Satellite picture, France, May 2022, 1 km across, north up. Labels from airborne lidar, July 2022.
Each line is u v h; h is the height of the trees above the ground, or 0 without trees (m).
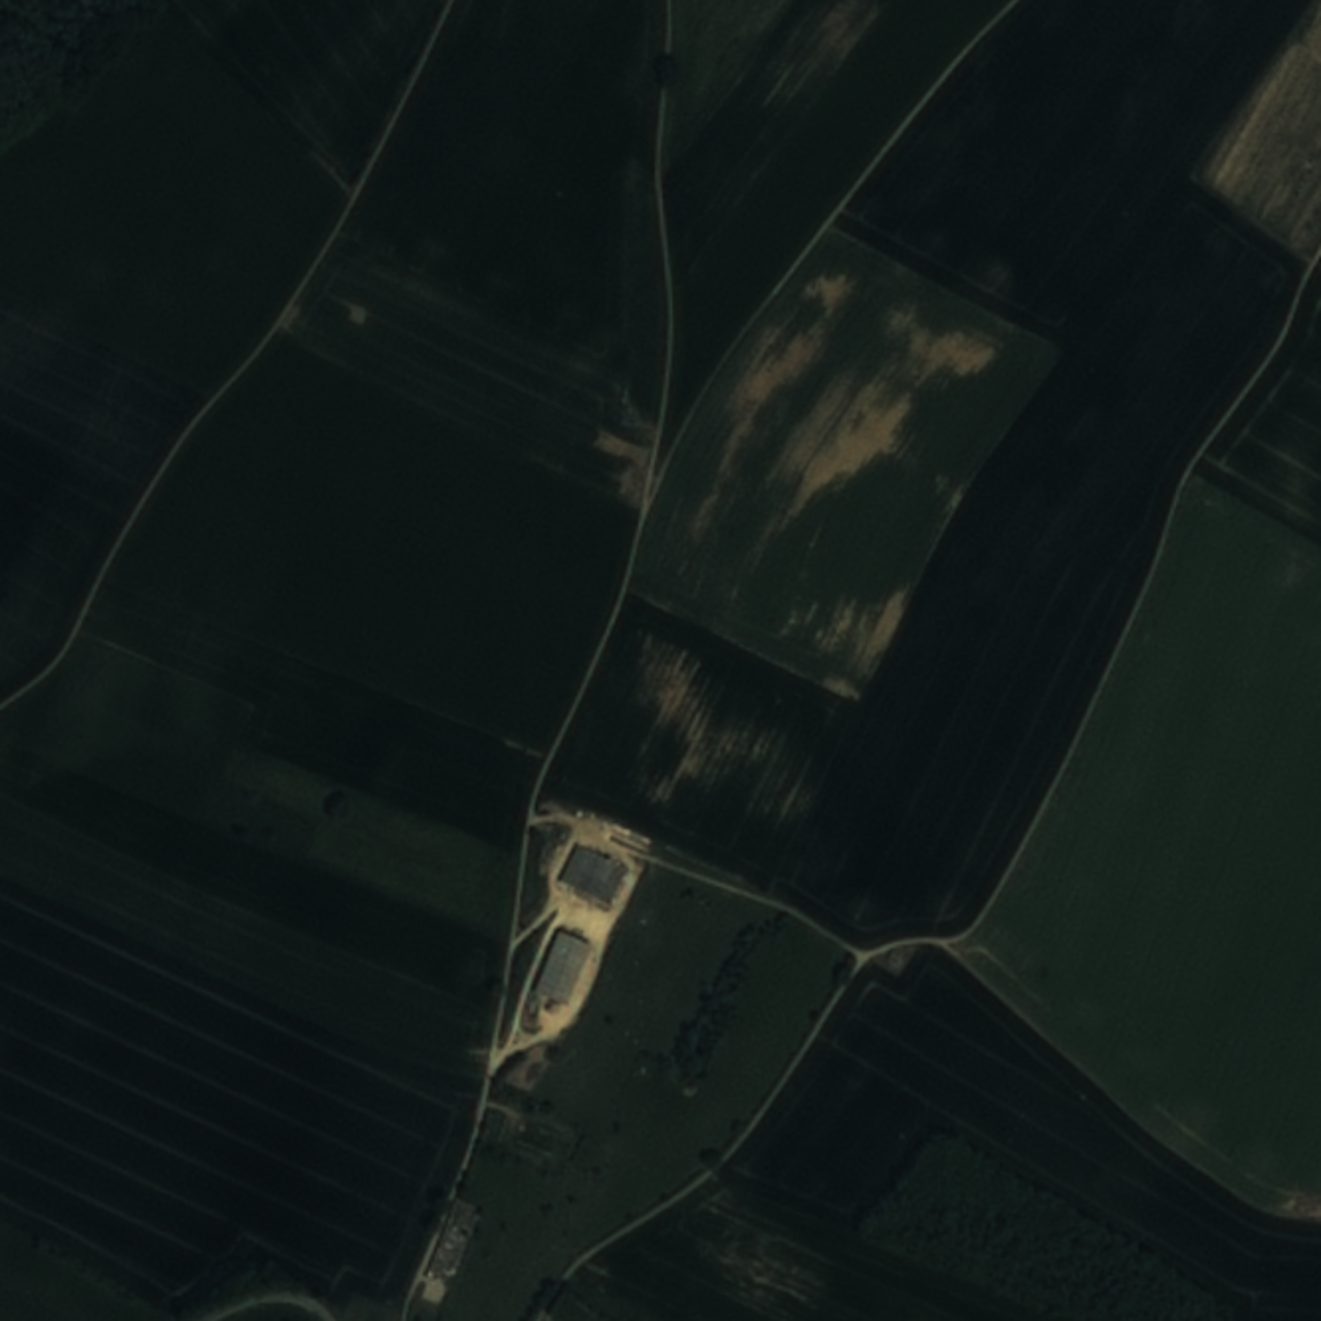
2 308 0
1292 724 0
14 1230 0
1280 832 0
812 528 0
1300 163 0
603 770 0
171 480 0
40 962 0
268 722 0
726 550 0
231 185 0
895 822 0
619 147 0
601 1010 0
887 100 0
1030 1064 0
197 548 0
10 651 0
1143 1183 0
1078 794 0
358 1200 0
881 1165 0
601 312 0
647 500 0
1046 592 0
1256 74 0
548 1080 0
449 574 0
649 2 0
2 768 0
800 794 0
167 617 0
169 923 0
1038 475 0
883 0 0
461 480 0
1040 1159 0
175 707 0
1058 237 0
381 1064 0
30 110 26
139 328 0
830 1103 0
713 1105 0
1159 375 0
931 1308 0
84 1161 0
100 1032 0
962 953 0
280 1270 21
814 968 0
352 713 0
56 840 0
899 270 0
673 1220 0
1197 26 0
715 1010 13
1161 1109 0
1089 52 0
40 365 0
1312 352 0
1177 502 0
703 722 0
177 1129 0
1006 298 0
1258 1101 0
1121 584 0
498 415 0
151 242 0
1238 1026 0
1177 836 0
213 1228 0
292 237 0
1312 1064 0
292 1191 0
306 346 0
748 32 0
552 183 0
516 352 0
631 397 0
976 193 0
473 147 0
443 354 0
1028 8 0
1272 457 0
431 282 0
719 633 0
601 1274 0
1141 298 0
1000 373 0
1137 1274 22
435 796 0
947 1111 0
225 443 0
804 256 0
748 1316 0
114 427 0
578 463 0
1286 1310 0
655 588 0
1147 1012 0
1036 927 0
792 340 0
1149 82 0
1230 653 0
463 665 0
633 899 0
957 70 0
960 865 0
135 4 21
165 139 0
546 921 0
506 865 0
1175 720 0
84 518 0
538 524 0
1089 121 0
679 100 0
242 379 0
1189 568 0
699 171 0
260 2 0
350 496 0
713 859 0
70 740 0
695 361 0
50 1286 0
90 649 0
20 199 0
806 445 0
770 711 0
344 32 0
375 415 0
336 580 0
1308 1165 0
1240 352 0
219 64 0
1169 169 0
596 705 0
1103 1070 0
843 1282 0
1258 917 0
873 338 0
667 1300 0
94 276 0
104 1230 0
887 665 0
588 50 0
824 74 0
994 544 0
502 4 0
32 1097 0
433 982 0
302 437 0
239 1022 0
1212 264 0
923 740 0
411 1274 0
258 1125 0
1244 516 0
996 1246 18
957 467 0
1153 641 0
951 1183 22
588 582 0
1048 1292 21
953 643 0
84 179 0
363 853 0
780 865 0
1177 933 0
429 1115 0
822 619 0
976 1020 0
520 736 0
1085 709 0
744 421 0
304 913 0
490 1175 0
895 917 0
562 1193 0
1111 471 0
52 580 0
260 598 0
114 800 0
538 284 0
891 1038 0
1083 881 0
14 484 0
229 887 0
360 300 0
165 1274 0
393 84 0
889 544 0
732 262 0
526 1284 0
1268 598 0
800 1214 0
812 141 0
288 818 0
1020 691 0
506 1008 0
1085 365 0
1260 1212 0
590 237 0
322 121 0
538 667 0
